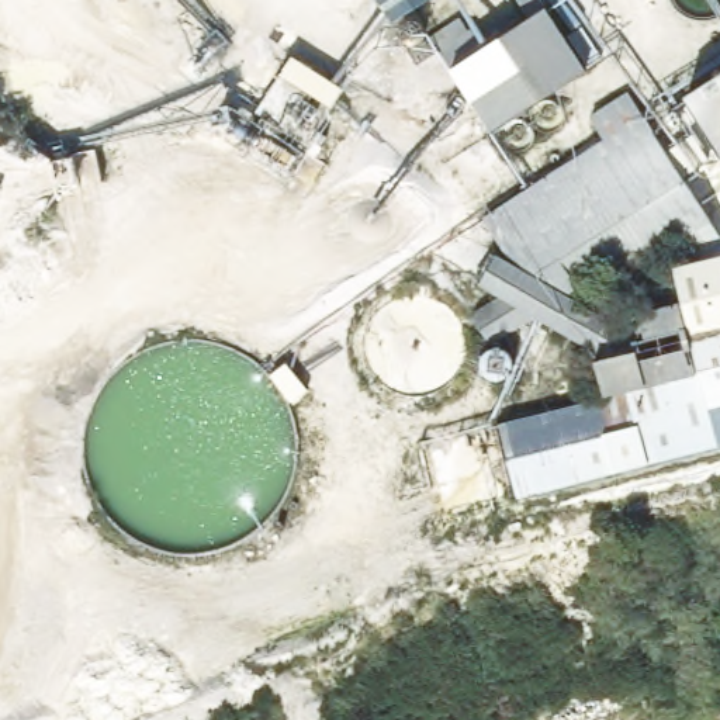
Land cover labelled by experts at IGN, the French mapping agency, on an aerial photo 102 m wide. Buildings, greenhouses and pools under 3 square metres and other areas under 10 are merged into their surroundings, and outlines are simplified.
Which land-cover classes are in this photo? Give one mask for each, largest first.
<instances>
[{"label":"pervious surface","instance_id":"1","mask_svg":"<svg viewBox=\"0 0 720 720\"><path fill-rule=\"evenodd\" d=\"M588 25L593 28L602 45V53L588 56V73L565 87V96L551 93L546 101L537 98L518 118L515 127L501 132H484L475 98L461 96V90L456 87L458 62L453 56L461 42H467L464 28L453 23L439 34H419L405 20L408 11L402 0H82L84 11L79 14V20L98 37L93 48L59 39L34 65V59L23 48H6L0 42V720H208V714L222 703H250L253 692L262 686L273 689L281 698L287 720H321L318 698L329 686H312L307 678L290 675L307 664L304 655L343 641V630H329L323 638L315 641H287L276 653H264L262 647L264 641L298 627L304 619H318L343 608H357V613H366L371 624H385L391 613L408 610L419 624H425L436 616L439 605L447 596L467 602L475 588H495L501 593L515 582L543 579L551 596L563 605L565 616L582 622V641H591L593 636V613L577 608L574 596L565 588L574 585L577 577L585 571L588 551L596 543V534H610L616 526H627L633 534L644 537L650 534L653 520L664 515L669 506L678 503L717 506V492L712 489L709 478L720 475V450L593 478L537 498H518L515 512H503L509 526L503 529L498 543H475L464 537L456 543L433 546L419 532L422 520L430 512L444 506L464 509L475 501L498 498L503 495V487L512 484L509 461H515L518 456L512 450L506 422L571 405L565 371L574 343L571 338L554 332L551 326H543L534 318L529 323H520L515 332H501L492 338L498 349L484 352L478 357V374L467 397H461L453 405H444L442 411H416V402H422L425 391H402L388 385L380 374H371L366 357L371 323L366 318H371L380 309L383 298H397L394 284L399 281L405 267L433 276L439 287L450 290L453 281L442 270L444 262L461 270H475L481 262L492 242L487 236V228L481 225L484 217H489L518 194L529 191L534 183L546 180L551 172L563 169L565 163H571L574 158L599 143V132H591V110H605L619 98H630L638 115L647 121L658 146L669 149L667 132H678L686 127V96L700 90L720 73V17L692 20L672 6V0H582ZM287 51L293 59L329 79L338 87V96L352 98V107H346L329 124V135H321V141L309 143L307 149L295 135L281 129L278 118H273L270 113H259V98L250 93L253 87H262L270 79L276 59ZM208 332L250 352H259L262 357L256 360V368L273 374V385L290 402L293 413L304 419V430L298 433L301 453L295 461V475L290 481L293 487H298L304 515L293 518L284 532L262 526L239 543L217 551L172 554L163 565L152 560H135L113 548L98 537L96 526H90V506L87 487L82 481L84 425L107 380L129 357L166 343L203 340ZM503 0H433L430 14L436 20L453 11L484 17ZM692 197L717 231V239L703 242L712 259L720 256V194H714L712 183L700 174L689 186ZM585 343L599 346L602 360L633 354L636 360H650L678 352L683 363L692 366L695 343L678 304L661 307L655 318L638 326V335H627L622 340L605 343V335L591 329ZM534 720H636V712H624L619 703L571 700L560 714L540 712Z\"/></svg>","mask_w":720,"mask_h":720},{"label":"building","instance_id":"2","mask_svg":"<svg viewBox=\"0 0 720 720\"><path fill-rule=\"evenodd\" d=\"M433 0H402L408 11L405 20L419 34H439L453 23L464 28L467 42H461L453 56L458 62L456 87L461 90V96L475 98L484 132H501L515 127L518 118L537 98L546 101L551 93L565 96V87L588 73V56L602 53V45L593 28L588 25L582 0H503L484 17L453 11L436 20L430 14ZM250 93L259 98V113H270L273 118H278L281 129L295 135L307 149L309 143L321 141V135H329V124L346 107H352V98L338 96V87L329 79L293 59L287 51L276 59L270 79L262 87H253ZM686 127L678 132H667L669 149L658 146L647 121L638 115L630 98H619L605 110H591V132H599V143L574 158L571 163H565L563 169L551 172L546 180L534 183L529 191L518 194L489 217H484L481 225L487 228V236L492 242L481 262L489 270V276H484L481 281L487 295H481L473 304V315L464 321H458L450 307L433 301L425 287H419L413 298H383L380 309L371 318H366L371 323L366 357L371 374H380L388 385L402 391H425L439 388L456 377L464 360L467 326H475L484 338H492L501 332H515L520 323H529L534 318L543 326H551L554 332L571 338L574 343H585L591 329L571 318L574 312L568 270L591 253L593 245L605 239H619L624 250H641L669 222H681L698 242H703L717 239V231L692 197L689 186L700 174L712 183L714 194H720V73L700 90L686 96ZM678 304L695 343L692 366L683 363L678 352L650 360H636L633 354L602 360L593 366V371L599 391L602 397H608L610 405H571L506 422L512 450L518 456L515 461H509L512 484L518 498H537L593 478L720 450V256L712 259L681 264L672 270Z\"/></svg>","mask_w":720,"mask_h":720},{"label":"herbaceous vegetation","instance_id":"3","mask_svg":"<svg viewBox=\"0 0 720 720\"><path fill-rule=\"evenodd\" d=\"M712 489L717 492V506L678 503L669 506L664 515L683 518L692 529L703 526L706 540L717 546L714 557L720 560V475L709 478ZM518 498L512 484L503 487V495L498 498L475 501L464 509L444 506L430 512L422 520L419 532L433 546L456 543L464 537L475 543H498L503 529L509 526L503 512H515ZM90 526H96L98 537L113 548L135 560H152L163 565L172 554L143 546L141 540L124 534L101 512V506H90ZM329 630H343V641L304 655L307 664L290 675L307 678L312 686H329L318 698L321 720H534L540 712L560 714L571 700L619 703L624 695L641 692L647 703L655 709L681 706L683 712L695 714V703L678 695L675 669L669 664L653 661L641 647H624L613 638L593 636L591 641H582V622L565 616L563 605L551 596L543 579L515 582L501 593L495 588H475L467 602L447 596L439 605L436 616L425 624H419L408 610L391 613L385 624H371L366 613H357V608H343L318 619H304L298 627L264 641L262 647L264 653H276L287 641H315L323 638ZM208 720H287L281 698L273 689L262 686L253 692L250 703H222L208 714Z\"/></svg>","mask_w":720,"mask_h":720},{"label":"water","instance_id":"4","mask_svg":"<svg viewBox=\"0 0 720 720\"><path fill-rule=\"evenodd\" d=\"M672 6L692 20L720 17V0H672ZM262 357L259 352H250L208 332L203 340L166 343L129 357L107 380L84 425L82 481L87 487L90 506H101V512L124 534L141 540L143 546L172 554L217 551L239 543L262 526L284 532L293 518L304 515L298 487H293L290 481L295 475V461L301 453L298 433L304 430V419L293 413L290 402L273 385V374L256 368V360Z\"/></svg>","mask_w":720,"mask_h":720},{"label":"brushwood","instance_id":"5","mask_svg":"<svg viewBox=\"0 0 720 720\"><path fill-rule=\"evenodd\" d=\"M442 270L453 281L450 290L439 287L433 276L405 267L399 281L394 284L397 298H413L419 287H425L433 301L450 307L458 321H464L473 315V304L481 295H487L481 281L484 276H489V270L481 262L475 270H461L444 262ZM498 349L492 338H484L475 326H467L464 360L456 377L439 388L425 391L422 402H416V411H442L444 405H453L461 397H467L478 374V357L484 352ZM717 546L706 540L703 526L692 529L683 518L664 515L653 520L650 534L644 537L633 534L627 526H616L610 534H596V543L588 551L585 571L577 577L574 585L565 588L574 596L577 608L593 613V636L613 638L624 647H641L653 661L669 664L675 669L678 695L695 703V714L683 712L681 706L655 709L647 703L641 692L624 695L619 703L624 712H636V720H720V560L714 557Z\"/></svg>","mask_w":720,"mask_h":720},{"label":"deciduous trees","instance_id":"6","mask_svg":"<svg viewBox=\"0 0 720 720\"><path fill-rule=\"evenodd\" d=\"M712 259L703 242H698L681 222H669L641 250H624L619 239H605L593 245L591 253L568 270L574 312L571 318L591 329L605 335V343L622 340L627 335H638V326L655 318L661 307L678 304L672 270L681 264ZM602 360L599 346L585 343H574L565 371L571 405H610L608 397H602L599 391L593 371V366Z\"/></svg>","mask_w":720,"mask_h":720},{"label":"impervious surface","instance_id":"7","mask_svg":"<svg viewBox=\"0 0 720 720\"><path fill-rule=\"evenodd\" d=\"M84 11L82 0H0V42L6 48H23L34 59V65L59 39L93 48L98 37L79 20V14Z\"/></svg>","mask_w":720,"mask_h":720}]
</instances>
